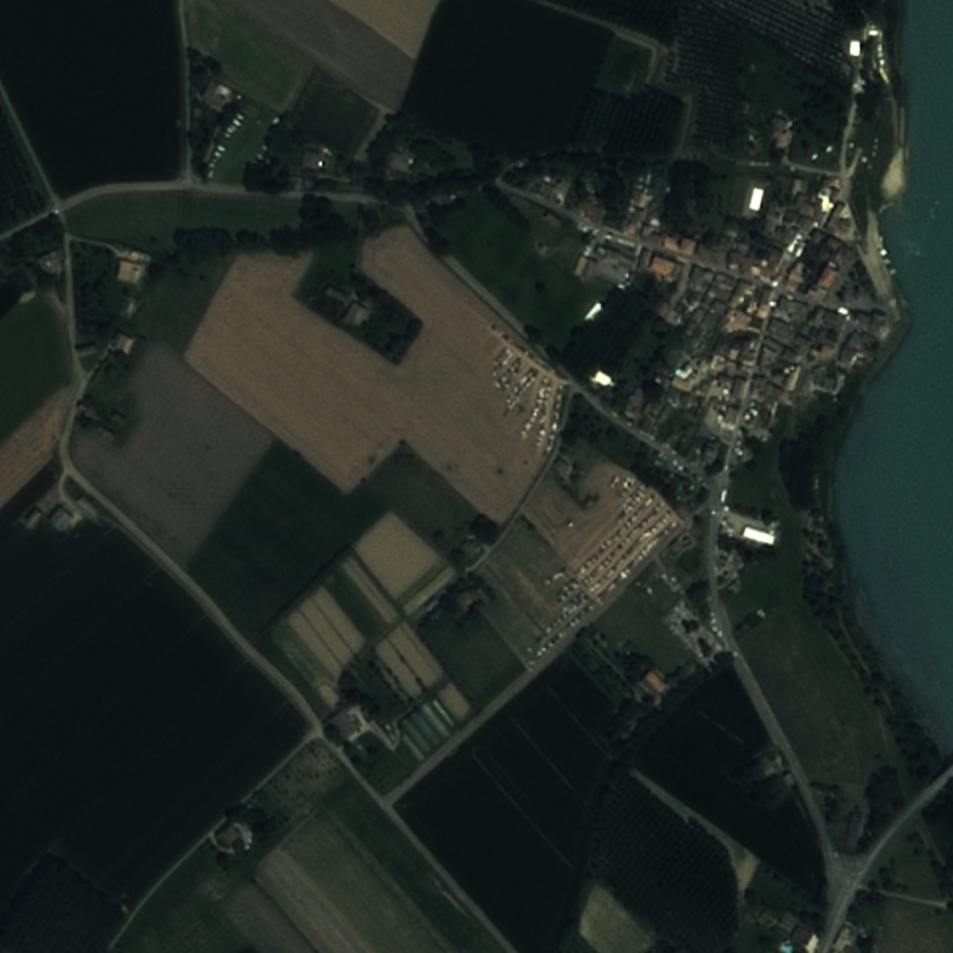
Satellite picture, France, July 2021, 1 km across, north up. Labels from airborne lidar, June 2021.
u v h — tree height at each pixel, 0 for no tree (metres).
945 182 0
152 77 0
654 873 23
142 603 0
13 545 0
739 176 0
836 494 0
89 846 0
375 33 0
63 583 0
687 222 10
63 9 0
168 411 0
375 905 0
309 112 0
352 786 0
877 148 0
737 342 7
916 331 0
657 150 21
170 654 0
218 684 0
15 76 0
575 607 0
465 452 0
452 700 0
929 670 0
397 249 0
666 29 26
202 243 25
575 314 0
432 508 0
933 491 0
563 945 0
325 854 0
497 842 0
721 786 0
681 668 7
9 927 24
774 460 0
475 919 0
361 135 0
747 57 0
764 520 12
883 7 16
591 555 0
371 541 0
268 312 0
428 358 0
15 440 0
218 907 0
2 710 0
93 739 0
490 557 0
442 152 7
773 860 0
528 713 0
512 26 0
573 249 0
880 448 0
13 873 0
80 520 0
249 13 0
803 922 7
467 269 0
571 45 0
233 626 0
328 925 0
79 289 6
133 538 0
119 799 0
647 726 10
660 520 0
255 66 0
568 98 0
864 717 0
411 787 0
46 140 0
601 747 0
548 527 0
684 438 7
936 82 0
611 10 26
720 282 0
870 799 16
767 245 10
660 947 6
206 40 0
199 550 0
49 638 0
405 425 0
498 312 0
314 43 0
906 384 0
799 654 0
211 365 0
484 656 0
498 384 0
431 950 0
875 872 0
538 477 0
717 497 0
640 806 22
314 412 0
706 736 0
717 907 26
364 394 0
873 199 0
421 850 0
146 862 0
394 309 6
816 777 0
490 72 0
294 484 0
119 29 0
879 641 0
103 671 0
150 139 0
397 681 7
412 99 0
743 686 0
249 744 0
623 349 15
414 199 20
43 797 0
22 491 0
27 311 0
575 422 10
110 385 0
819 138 7
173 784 0
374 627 0
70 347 0
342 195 0
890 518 0
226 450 0
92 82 0
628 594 0
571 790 0
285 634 0
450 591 10
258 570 0
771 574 0
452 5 0
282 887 0
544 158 8
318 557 0
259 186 16
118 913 26
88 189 0
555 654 0
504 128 0
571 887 0
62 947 25
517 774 0
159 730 0
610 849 15
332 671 0
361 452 0
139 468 0
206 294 0
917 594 0
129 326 0
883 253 0
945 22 0
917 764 9
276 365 0
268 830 13
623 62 0
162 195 0
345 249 0
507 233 0
